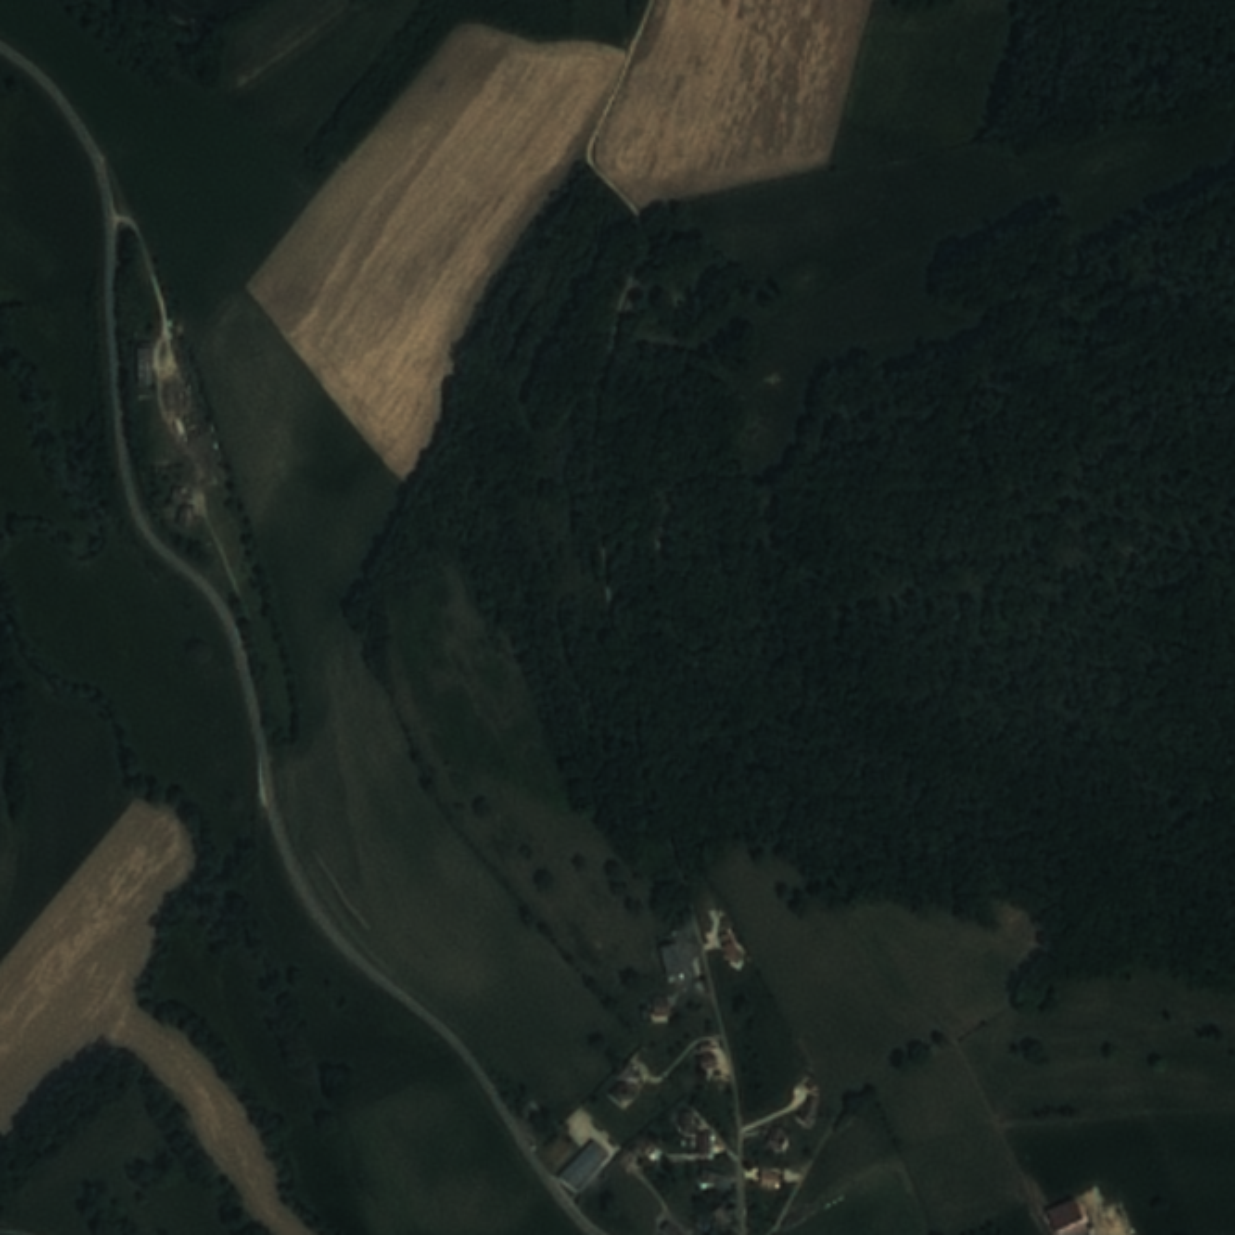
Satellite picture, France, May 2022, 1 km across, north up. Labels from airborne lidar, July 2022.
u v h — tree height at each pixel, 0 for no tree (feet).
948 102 0
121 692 0
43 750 0
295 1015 42
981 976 0
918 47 0
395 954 0
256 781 0
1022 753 42
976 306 61
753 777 57
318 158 28
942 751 67
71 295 0
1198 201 77
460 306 0
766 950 0
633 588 56
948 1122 0
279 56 0
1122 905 60
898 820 58
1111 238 41
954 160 0
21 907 0
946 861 57
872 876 56
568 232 43
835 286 0
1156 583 50
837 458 58
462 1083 0
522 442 50
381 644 28
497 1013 0
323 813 0
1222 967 54
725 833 38
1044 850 34
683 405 49
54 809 0
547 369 56
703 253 54
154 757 0
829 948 0
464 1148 0
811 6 0
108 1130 0
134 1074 44
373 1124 0
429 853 0
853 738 45
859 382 62
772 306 44
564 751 28
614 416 40
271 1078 0
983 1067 0
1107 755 60
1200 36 91
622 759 58
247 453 0
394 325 0
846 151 0
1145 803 51
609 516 49
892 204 0
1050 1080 0
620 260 46
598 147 0
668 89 0
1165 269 41
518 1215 0
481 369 58
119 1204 30
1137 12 72
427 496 55
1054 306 62
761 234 0
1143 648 51
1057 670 45
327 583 0
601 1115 0
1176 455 74
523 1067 0
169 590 0
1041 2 65
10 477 0
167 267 0
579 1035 0
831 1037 0
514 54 0
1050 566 56
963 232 0
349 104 34
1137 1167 0
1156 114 54
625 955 0
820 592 63
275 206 0
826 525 65
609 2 0
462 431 54
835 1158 0
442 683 0
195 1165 89
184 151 0
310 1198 0
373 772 0
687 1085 0
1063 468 55
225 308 0
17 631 59
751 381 0
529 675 37
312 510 0
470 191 0
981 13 0
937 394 76
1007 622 45
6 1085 0
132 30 59
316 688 0
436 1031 0
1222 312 72
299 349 0
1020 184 0
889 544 52
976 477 60
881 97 0
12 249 0
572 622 44
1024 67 76
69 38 0
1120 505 42
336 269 0
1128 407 59
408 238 0
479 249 0
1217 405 79
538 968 0
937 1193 0
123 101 0
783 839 41
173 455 0
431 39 20
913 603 53
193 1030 47
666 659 53
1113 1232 0
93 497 68
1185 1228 0
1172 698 57
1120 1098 0
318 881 0
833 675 46
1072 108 91
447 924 0
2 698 65
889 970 0
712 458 55
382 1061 0
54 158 0
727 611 49
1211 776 68
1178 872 63
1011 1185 0
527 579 47
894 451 69
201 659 43
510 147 0
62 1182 0
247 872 30
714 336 0
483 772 0
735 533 50
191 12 0
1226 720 56
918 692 54
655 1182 33
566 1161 0
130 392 28
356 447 0
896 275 0
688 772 43
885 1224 0
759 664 47
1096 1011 0
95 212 0
